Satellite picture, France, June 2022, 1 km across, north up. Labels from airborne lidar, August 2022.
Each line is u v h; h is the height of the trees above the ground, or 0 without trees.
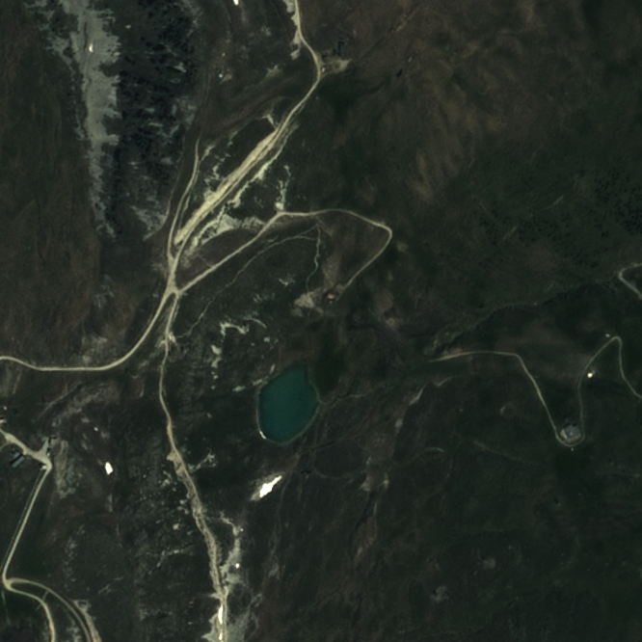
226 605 0
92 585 0
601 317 0
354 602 0
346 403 0
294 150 0
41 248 0
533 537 0
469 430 0
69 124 0
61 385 0
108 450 0
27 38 0
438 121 0
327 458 0
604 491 0
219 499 0
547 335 0
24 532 0
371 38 0
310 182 0
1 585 0
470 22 0
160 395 0
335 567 0
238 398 0
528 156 0
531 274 0
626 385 0
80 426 0
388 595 0
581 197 0
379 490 0
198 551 0
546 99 0
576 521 0
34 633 0
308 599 0
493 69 0
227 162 0
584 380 0
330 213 0
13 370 0
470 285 0
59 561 0
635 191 8
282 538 0
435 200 0
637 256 0
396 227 0
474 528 0
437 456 0
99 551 0
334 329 0
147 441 0
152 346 0
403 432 0
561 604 0
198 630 0
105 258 0
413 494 0
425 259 0
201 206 0
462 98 0
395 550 0
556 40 0
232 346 0
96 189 0
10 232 0
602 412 0
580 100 0
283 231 0
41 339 0
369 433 0
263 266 0
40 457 0
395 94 0
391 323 0
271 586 0
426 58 0
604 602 0
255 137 0
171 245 0
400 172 0
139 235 0
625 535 0
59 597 0
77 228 0
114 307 0
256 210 0
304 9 0
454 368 0
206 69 0
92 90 0
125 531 0
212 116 0
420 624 0
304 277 0
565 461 0
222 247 0
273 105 0
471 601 0
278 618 0
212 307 0
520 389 0
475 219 0
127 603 0
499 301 0
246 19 0
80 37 0
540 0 0
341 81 0
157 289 0
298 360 0
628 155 0
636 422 0
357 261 0
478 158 0
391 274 0
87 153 0
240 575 0
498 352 0
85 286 0
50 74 0
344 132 0
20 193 0
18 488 0
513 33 0
